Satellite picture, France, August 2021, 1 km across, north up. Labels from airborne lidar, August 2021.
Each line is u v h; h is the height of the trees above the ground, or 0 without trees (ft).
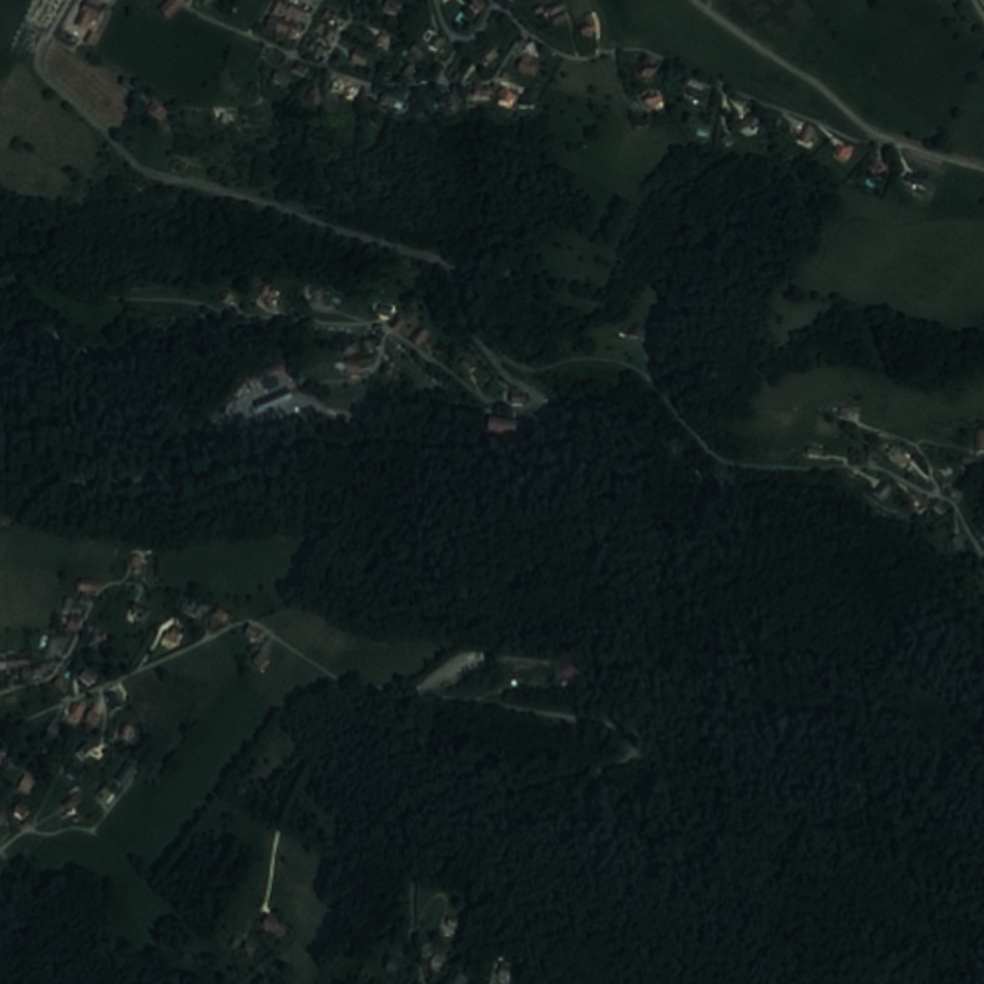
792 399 0
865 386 0
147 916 0
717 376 84
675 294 113
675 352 45
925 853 37
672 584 34
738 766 54
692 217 90
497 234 91
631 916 72
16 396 143
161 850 0
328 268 67
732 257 111
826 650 30
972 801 121
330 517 74
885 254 0
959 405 0
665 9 0
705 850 28
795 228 98
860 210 0
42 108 0
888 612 26
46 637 0
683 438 38
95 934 85
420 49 0
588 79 0
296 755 21
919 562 41
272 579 0
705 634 30
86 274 86
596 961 65
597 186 0
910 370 70
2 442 77
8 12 0
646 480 109
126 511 100
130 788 0
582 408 74
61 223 73
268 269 72
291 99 24
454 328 52
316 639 0
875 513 25
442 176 60
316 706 65
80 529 51
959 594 36
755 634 28
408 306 20
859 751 95
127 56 0
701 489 42
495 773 91
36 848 0
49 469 54
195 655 0
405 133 58
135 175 29
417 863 80
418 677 20
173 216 55
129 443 101
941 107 0
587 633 85
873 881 50
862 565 37
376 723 85
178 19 0
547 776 34
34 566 0
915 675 75
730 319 66
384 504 74
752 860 73
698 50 0
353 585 85
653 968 63
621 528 95
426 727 94
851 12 0
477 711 38
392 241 54
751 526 26
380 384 20
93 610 0
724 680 95
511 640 80
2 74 0
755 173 58
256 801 43
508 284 62
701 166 27
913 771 115
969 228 0
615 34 0
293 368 32
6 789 26
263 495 94
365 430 87
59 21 0
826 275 0
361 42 38
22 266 115
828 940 42
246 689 0
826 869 72
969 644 94
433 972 36
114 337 82
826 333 59
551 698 22
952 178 0
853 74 0
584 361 0
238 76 18
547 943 67
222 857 51
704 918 80
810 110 0
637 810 115
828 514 63
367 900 84
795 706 59
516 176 66
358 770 92
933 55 0
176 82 0
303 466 65
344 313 0
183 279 42
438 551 88
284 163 79
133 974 81
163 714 0
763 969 105
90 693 25
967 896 59
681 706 101
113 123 0
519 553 75
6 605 0
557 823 95
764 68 0
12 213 94
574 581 88
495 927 81
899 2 0
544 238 56
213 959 55
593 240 41
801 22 0
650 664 89
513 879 75
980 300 0
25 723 30
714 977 68
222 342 71
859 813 30
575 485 102
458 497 118
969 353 70
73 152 0
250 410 0
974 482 50
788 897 53
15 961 94
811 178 66
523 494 30
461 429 112
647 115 30
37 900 76
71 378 107
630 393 52
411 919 26
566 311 42
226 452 122
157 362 83
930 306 0
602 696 64
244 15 0
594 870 70
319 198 54
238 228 78
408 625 94
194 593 33
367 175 60
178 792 0
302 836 56
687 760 70
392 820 73
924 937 34
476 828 90
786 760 114
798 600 45
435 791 94
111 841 0
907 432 0
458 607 91
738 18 0
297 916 0
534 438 112
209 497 92
